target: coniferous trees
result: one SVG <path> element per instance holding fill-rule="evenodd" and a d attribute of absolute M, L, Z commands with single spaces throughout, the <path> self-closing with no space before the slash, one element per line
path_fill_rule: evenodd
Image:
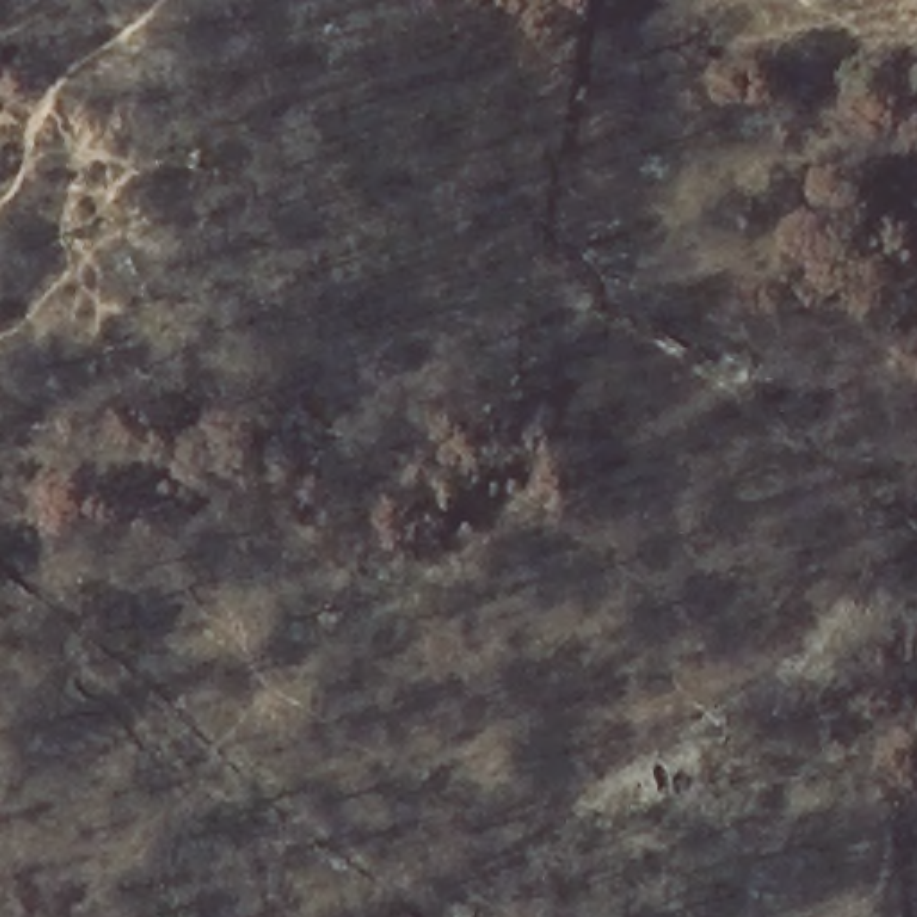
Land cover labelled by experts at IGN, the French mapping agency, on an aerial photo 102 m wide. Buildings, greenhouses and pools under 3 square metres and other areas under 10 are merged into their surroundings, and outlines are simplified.
<path fill-rule="evenodd" d="M 774 226 L 767 276 L 784 279 L 784 269 L 802 265 L 806 279 L 817 290 L 835 294 L 853 319 L 867 315 L 874 333 L 899 322 L 903 333 L 899 344 L 888 347 L 885 365 L 896 376 L 917 380 L 917 47 L 870 50 L 845 29 L 813 29 L 788 43 L 767 43 L 745 54 L 727 47 L 724 57 L 716 57 L 706 68 L 706 75 L 681 93 L 673 107 L 673 125 L 688 136 L 745 136 L 741 150 L 767 150 L 774 154 L 774 165 L 788 168 L 806 165 L 806 201 L 799 211 L 788 211 Z"/>
<path fill-rule="evenodd" d="M 412 577 L 423 562 L 441 562 L 444 555 L 451 555 L 459 548 L 462 523 L 487 530 L 501 509 L 519 512 L 527 527 L 552 530 L 559 523 L 559 480 L 548 448 L 555 430 L 548 412 L 516 412 L 498 426 L 459 433 L 459 426 L 448 423 L 448 416 L 437 412 L 419 448 L 408 455 L 408 466 L 401 466 L 398 473 L 401 484 L 408 484 L 405 498 L 390 509 L 390 498 L 380 498 L 373 519 L 365 519 L 355 530 L 355 552 L 394 580 Z"/>
<path fill-rule="evenodd" d="M 548 75 L 566 39 L 591 39 L 595 25 L 609 21 L 616 7 L 638 0 L 398 0 L 405 25 L 419 32 L 423 47 L 448 57 L 491 54 L 505 64 L 509 79 Z"/>

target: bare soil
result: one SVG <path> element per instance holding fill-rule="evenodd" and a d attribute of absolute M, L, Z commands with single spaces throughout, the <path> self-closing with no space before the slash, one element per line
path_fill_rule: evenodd
<path fill-rule="evenodd" d="M 595 25 L 591 39 L 566 39 L 548 75 L 509 79 L 505 64 L 491 54 L 448 57 L 423 47 L 419 32 L 405 25 L 398 0 L 0 0 L 0 917 L 917 917 L 917 380 L 896 376 L 885 365 L 888 347 L 899 344 L 903 333 L 899 322 L 874 333 L 867 315 L 853 319 L 835 294 L 817 290 L 806 279 L 802 265 L 784 269 L 784 279 L 767 276 L 774 226 L 788 211 L 799 211 L 806 201 L 806 165 L 788 168 L 774 165 L 774 154 L 767 150 L 741 150 L 745 136 L 688 136 L 673 125 L 673 107 L 681 93 L 706 75 L 706 68 L 716 57 L 724 57 L 727 47 L 745 54 L 767 43 L 788 43 L 813 29 L 845 29 L 870 50 L 917 47 L 917 0 L 638 0 L 616 7 L 609 21 Z M 408 484 L 401 484 L 398 473 L 401 466 L 408 466 L 408 455 L 419 448 L 437 412 L 448 416 L 448 423 L 459 426 L 459 433 L 498 426 L 516 412 L 548 412 L 555 430 L 548 448 L 559 480 L 559 523 L 552 530 L 527 527 L 519 512 L 501 509 L 487 530 L 462 523 L 459 548 L 451 555 L 444 555 L 441 562 L 423 562 L 412 577 L 394 580 L 355 552 L 355 530 L 365 519 L 373 519 L 380 498 L 390 498 L 390 509 L 405 498 Z"/>

